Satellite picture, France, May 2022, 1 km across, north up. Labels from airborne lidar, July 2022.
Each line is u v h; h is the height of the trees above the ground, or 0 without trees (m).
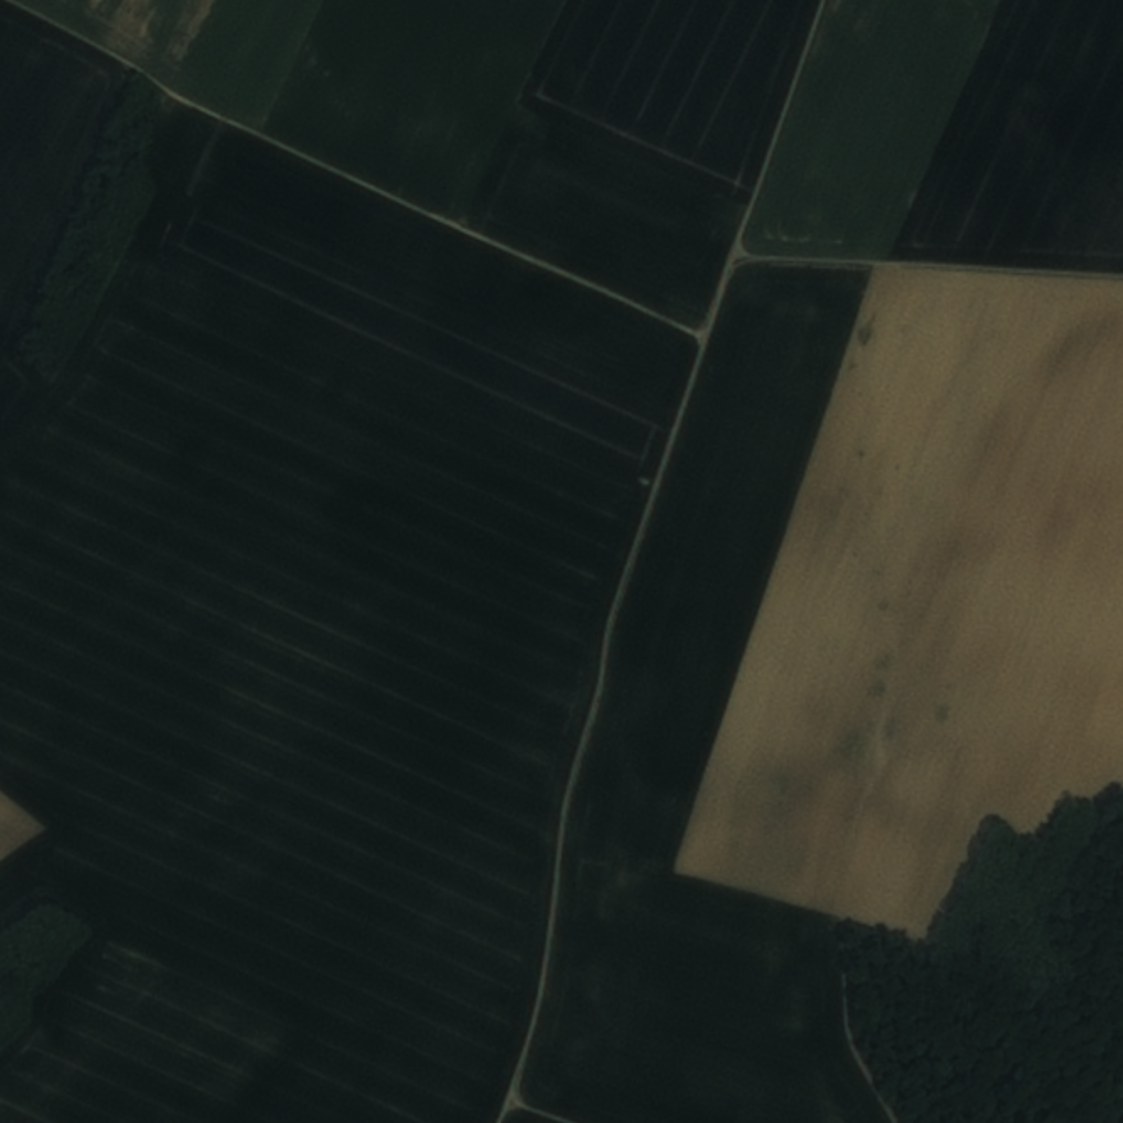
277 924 0
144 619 0
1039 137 0
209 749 0
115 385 0
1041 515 0
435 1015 0
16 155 0
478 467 0
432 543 0
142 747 0
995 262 0
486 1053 0
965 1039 24
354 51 0
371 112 0
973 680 0
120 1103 0
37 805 0
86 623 0
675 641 0
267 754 0
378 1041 0
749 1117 0
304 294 0
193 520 0
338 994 0
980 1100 26
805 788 0
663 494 0
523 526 0
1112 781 0
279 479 0
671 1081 0
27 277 0
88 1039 0
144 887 0
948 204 0
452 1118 0
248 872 0
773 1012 0
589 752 0
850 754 0
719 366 0
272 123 0
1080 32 0
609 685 0
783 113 0
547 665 0
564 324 0
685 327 0
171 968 0
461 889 0
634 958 0
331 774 0
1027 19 0
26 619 0
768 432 0
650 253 0
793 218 0
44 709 0
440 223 0
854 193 0
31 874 0
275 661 0
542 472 0
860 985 25
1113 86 0
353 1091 0
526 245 0
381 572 0
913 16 0
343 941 0
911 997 25
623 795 0
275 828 0
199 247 0
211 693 0
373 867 0
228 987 0
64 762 0
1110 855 28
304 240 0
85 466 0
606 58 0
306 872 0
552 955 0
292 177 0
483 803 0
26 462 0
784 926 0
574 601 0
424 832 0
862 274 0
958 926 22
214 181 0
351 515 0
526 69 0
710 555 0
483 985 0
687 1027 0
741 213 0
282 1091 0
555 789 0
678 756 0
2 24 0
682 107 0
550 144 0
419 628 0
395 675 0
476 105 0
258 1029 0
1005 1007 28
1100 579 0
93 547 0
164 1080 0
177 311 0
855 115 0
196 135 0
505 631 0
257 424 0
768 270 0
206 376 0
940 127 0
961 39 0
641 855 0
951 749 0
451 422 0
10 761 0
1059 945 29
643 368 0
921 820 0
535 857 0
